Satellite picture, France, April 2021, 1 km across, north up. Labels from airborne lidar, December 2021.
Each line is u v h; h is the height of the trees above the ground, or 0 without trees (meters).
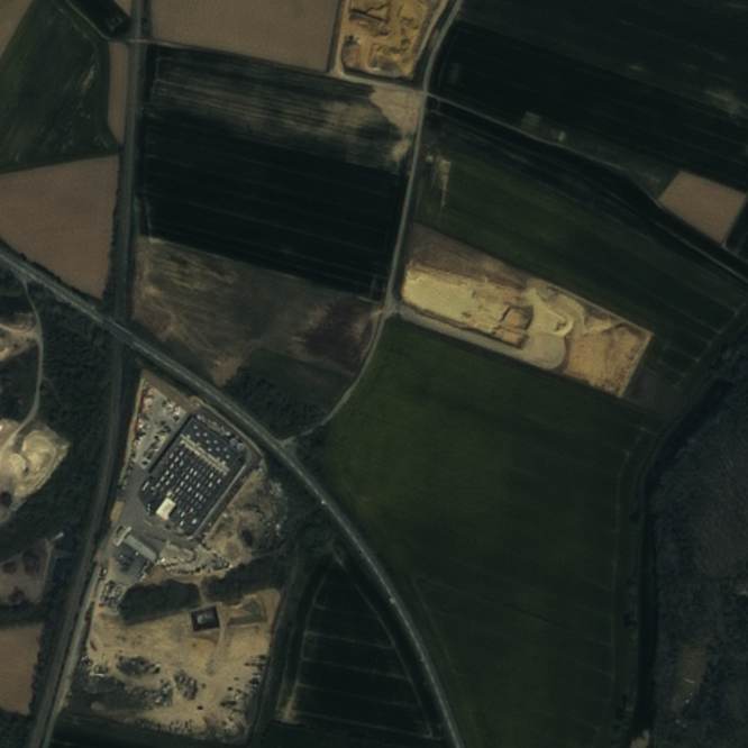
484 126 0
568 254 0
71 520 0
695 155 0
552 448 0
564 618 0
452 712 0
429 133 0
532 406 0
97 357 14
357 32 0
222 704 0
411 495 0
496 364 0
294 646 0
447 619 0
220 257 0
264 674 0
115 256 13
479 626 0
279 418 12
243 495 0
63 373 12
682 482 22
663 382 0
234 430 0
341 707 0
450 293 0
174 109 0
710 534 19
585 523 0
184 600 8
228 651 0
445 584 0
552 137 0
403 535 0
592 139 0
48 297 18
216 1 0
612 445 0
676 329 0
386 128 0
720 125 0
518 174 0
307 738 0
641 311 0
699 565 13
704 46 0
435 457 0
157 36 0
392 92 0
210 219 0
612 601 0
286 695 0
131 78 0
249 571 19
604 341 0
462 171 0
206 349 0
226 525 0
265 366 0
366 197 0
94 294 0
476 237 0
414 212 0
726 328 0
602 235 0
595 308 0
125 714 0
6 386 6
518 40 0
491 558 0
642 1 0
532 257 0
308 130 0
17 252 0
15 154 0
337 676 0
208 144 0
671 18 0
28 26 0
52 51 0
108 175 0
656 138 0
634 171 0
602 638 0
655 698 15
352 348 0
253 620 0
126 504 0
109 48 0
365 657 0
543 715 0
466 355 0
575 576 0
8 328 0
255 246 0
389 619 0
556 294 0
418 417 0
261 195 0
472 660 0
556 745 0
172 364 0
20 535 7
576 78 0
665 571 21
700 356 0
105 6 0
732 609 10
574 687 0
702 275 0
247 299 0
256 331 0
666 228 0
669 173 0
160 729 0
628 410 0
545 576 0
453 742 0
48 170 0
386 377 0
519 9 0
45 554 0
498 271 0
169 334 0
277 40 0
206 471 0
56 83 0
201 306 0
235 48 0
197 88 0
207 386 0
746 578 15
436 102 0
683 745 17
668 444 0
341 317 0
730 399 21
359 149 0
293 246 0
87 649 0
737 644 16
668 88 0
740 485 23
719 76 0
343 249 0
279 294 0
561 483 0
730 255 0
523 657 0
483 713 0
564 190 0
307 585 0
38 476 0
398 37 0
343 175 0
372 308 0
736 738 17
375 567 0
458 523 0
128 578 0
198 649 0
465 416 0
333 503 0
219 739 0
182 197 0
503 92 0
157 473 0
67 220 0
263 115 0
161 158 0
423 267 0
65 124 0
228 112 0
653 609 0
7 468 0
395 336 0
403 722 0
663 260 0
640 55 0
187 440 0
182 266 0
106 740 0
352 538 0
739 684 18
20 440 0
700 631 11
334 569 0
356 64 0
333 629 0
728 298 0
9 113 0
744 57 0
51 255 0
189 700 0
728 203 0
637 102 0
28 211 0
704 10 0
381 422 0
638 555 0
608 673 0
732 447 21
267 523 0
